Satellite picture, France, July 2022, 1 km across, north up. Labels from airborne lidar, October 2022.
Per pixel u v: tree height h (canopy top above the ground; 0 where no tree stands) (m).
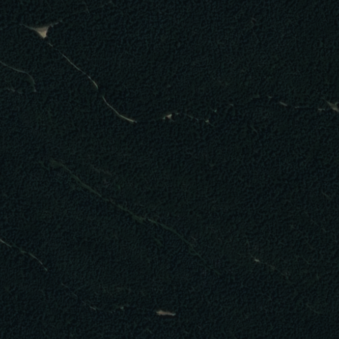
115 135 20
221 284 34
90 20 25
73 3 11
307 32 14
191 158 22
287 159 20
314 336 21
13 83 17
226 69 23
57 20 29
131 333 29
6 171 18
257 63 17
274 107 17
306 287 15
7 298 19
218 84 12
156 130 22
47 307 15
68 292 29
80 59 24
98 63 13
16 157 10
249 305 22
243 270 21
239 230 17
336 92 16
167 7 21
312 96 13
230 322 17
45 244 17
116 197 19
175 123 15
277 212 17
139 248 23
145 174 17
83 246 12
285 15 21
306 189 15
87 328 15
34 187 23
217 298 20
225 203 15
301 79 16
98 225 16
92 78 11
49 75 19
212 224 14
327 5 22
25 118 15
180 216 23
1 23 18
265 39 25
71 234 29
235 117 39
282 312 25
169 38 12
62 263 22
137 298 16
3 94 23
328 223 7
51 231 15
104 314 19
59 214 16
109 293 7
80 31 16
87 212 25
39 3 17
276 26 17
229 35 23
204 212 14
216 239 11
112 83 16
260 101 22
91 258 12
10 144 20
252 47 9
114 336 24
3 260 19
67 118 17
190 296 21
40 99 16
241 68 22
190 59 29
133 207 30
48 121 18
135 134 16
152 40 15
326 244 12
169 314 0
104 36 9
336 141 14
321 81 21
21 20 27
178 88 20
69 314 12
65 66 7
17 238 33
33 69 27
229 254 19
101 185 27
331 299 14
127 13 17
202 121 23
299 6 15
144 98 23
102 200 29
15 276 13
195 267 34
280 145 25
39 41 7
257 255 17
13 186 28
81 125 7
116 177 12
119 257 23
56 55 8
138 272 17
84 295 27
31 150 22
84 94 19
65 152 18
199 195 15
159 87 18
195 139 18
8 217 29
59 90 25
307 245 20
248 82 24
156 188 17
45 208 18
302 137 12
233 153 17
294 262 19
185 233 33
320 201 12
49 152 27
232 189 21
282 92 13
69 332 24
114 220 23
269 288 13
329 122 19
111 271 21
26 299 25
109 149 6
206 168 20
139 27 21
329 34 18
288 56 20
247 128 7
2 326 25
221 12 26
